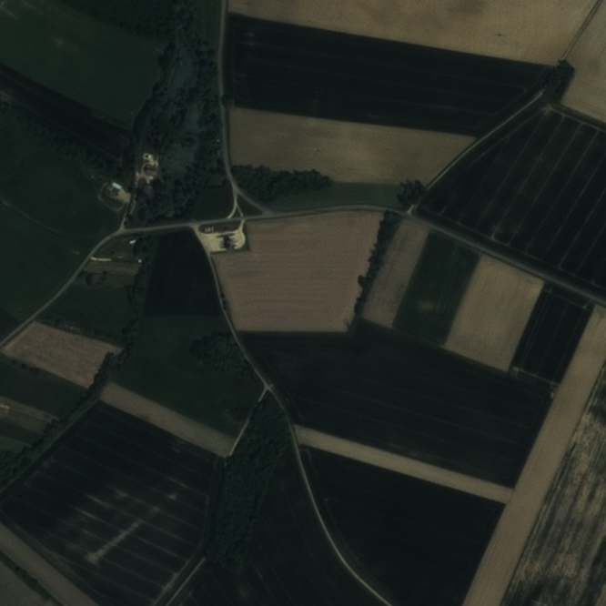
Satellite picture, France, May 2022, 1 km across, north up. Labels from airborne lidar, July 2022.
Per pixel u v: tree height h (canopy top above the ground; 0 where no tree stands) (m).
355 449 0
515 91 0
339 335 0
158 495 0
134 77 0
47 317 0
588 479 0
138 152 12
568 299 0
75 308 0
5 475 7
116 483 0
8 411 0
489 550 0
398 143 0
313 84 0
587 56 0
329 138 0
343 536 0
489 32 0
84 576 0
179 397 0
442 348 0
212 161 22
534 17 0
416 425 0
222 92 0
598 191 0
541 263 0
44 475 0
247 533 19
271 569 0
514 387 0
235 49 0
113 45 0
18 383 0
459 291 0
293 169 0
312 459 0
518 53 0
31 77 0
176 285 0
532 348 0
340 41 0
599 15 0
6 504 0
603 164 0
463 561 0
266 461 12
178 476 0
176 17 10
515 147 0
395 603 0
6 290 0
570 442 0
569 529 0
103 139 0
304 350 0
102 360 0
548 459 0
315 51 0
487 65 0
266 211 0
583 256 0
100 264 0
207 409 0
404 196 14
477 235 0
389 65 0
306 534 0
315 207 0
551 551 0
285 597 0
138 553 0
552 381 0
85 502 0
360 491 0
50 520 0
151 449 0
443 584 0
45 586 0
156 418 0
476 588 0
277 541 0
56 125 0
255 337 0
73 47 0
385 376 0
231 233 0
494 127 0
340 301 0
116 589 0
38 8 0
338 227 0
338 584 0
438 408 0
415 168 0
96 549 0
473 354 0
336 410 0
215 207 0
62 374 0
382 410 0
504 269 0
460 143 0
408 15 0
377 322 0
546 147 0
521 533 0
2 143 0
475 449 0
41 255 0
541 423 0
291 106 0
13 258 0
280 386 0
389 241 9
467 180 0
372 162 0
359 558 0
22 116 14
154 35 11
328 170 0
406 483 0
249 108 0
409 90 0
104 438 0
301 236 0
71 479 0
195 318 0
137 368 0
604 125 0
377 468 0
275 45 0
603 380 0
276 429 20
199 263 0
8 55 0
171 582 0
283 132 0
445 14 0
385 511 0
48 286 0
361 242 0
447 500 0
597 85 0
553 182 0
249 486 23
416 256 0
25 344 0
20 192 0
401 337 0
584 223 0
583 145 0
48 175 0
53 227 0
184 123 20
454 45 0
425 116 0
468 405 0
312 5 0
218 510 19
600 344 0
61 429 17
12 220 0
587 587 0
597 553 0
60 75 0
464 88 0
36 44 0
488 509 0
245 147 0
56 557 0
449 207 0
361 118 0
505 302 0
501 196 0
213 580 0
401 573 0
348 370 0
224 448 0
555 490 0
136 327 8
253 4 0
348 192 0
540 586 0
